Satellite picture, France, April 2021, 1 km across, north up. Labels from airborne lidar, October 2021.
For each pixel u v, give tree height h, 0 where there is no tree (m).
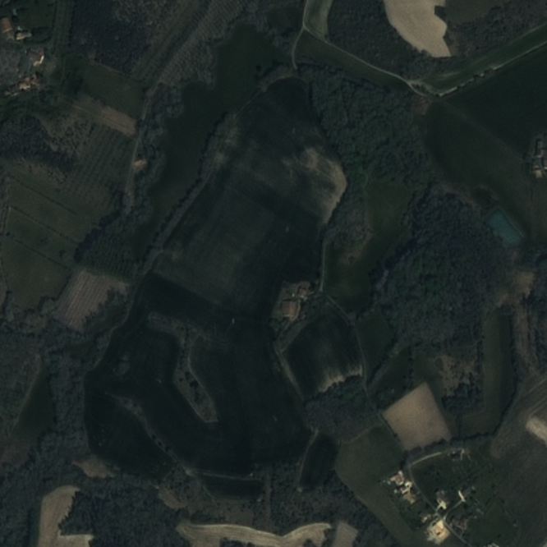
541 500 0
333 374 0
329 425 18
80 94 18
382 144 20
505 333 0
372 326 0
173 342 0
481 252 28
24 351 26
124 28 11
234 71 0
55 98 23
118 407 0
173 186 0
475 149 0
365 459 0
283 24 0
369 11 9
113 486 18
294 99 0
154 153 18
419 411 0
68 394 12
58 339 20
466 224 26
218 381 0
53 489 13
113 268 0
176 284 0
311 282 0
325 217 0
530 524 0
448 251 25
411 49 13
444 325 24
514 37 6
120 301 16
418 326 23
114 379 0
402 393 9
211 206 0
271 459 0
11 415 27
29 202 0
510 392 0
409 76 18
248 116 0
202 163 15
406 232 0
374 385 12
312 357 0
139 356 0
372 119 25
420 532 0
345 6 8
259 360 0
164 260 0
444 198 20
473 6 0
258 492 0
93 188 12
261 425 0
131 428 0
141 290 0
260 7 19
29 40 8
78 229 0
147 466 0
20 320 19
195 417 0
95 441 0
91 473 0
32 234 0
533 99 0
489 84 0
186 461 0
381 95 21
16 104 8
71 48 12
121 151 16
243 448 0
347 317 12
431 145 0
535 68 0
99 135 8
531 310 23
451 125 0
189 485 18
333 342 0
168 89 14
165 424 0
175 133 0
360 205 23
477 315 27
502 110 0
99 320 14
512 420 0
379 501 0
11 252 0
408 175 25
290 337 13
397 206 0
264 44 0
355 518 16
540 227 0
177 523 16
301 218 0
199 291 0
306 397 0
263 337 0
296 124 0
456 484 7
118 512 23
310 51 0
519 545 0
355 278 0
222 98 0
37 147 9
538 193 0
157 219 0
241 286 0
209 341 0
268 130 0
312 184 0
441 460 0
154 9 7
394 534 0
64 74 0
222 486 0
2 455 0
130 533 26
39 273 0
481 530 0
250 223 0
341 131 24
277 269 0
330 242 20
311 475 0
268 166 0
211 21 0
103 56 12
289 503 10
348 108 18
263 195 0
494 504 0
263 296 0
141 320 0
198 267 0
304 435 0
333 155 0
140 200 20
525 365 0
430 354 6
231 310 0
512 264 23
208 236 0
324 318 0
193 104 0
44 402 0
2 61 11
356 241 17
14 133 12
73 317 0
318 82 19
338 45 15
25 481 18
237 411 0
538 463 0
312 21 0
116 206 10
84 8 15
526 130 0
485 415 0
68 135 8
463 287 29
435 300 27
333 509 12
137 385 0
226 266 0
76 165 8
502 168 0
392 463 0
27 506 20
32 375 19
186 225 0
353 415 18
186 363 9
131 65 15
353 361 0
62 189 7
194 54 0
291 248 0
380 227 0
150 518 25
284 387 0
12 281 0
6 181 17
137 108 0
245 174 0
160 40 9
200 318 0
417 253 23
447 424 0
